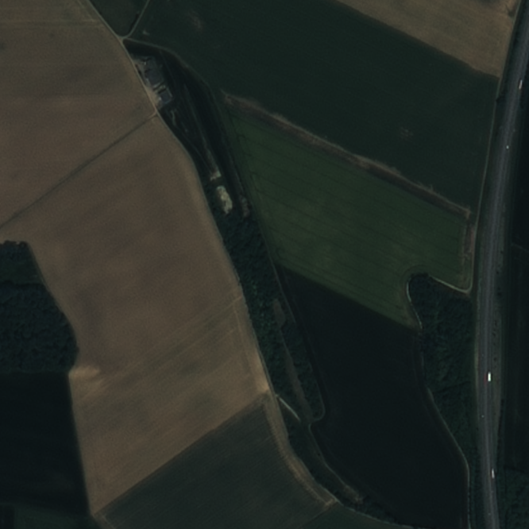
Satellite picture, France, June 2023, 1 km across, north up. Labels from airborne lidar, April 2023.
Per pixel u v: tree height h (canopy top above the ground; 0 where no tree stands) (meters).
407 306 0
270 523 0
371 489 0
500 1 0
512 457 0
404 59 0
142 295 0
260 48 0
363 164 0
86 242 0
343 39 0
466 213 0
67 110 0
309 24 0
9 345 20
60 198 0
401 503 0
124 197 0
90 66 0
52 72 0
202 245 0
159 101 0
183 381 0
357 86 0
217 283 0
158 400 0
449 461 0
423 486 0
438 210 0
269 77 0
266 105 0
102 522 0
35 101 0
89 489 0
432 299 23
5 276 0
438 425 0
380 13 0
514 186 0
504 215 0
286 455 0
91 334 0
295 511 0
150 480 0
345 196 0
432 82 0
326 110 0
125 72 0
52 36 0
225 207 0
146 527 0
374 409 0
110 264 0
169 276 0
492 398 0
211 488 0
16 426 0
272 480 0
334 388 0
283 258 0
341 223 0
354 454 0
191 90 0
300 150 0
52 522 0
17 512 0
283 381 11
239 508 0
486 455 0
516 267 0
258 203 0
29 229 0
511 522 12
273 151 0
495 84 0
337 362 0
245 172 0
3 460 0
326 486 8
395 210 0
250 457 0
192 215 0
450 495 0
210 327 0
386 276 0
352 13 0
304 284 0
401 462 0
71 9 0
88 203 0
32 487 0
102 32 0
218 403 0
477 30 0
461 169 0
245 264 16
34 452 0
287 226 0
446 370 5
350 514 0
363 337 0
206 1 0
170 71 0
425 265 0
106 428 0
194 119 0
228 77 0
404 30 0
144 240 0
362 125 0
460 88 0
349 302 0
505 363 0
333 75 0
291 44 0
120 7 0
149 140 0
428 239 0
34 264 0
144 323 0
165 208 0
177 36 0
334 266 0
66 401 0
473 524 8
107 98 0
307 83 0
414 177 0
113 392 0
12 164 0
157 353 0
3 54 0
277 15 0
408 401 0
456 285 0
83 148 0
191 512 0
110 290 0
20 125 0
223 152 0
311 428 0
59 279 0
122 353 0
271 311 15
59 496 0
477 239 0
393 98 0
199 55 0
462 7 0
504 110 0
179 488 0
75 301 0
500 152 0
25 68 0
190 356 0
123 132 0
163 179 0
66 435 0
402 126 0
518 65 0
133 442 0
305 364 15
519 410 0
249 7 0
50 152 0
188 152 0
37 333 25
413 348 0
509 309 0
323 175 0
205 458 0
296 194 0
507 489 10
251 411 0
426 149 0
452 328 17
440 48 0
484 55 0
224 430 0
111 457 0
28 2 0
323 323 0
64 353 21
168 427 0
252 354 0
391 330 0
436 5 0
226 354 0
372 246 0
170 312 0
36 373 0
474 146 0
